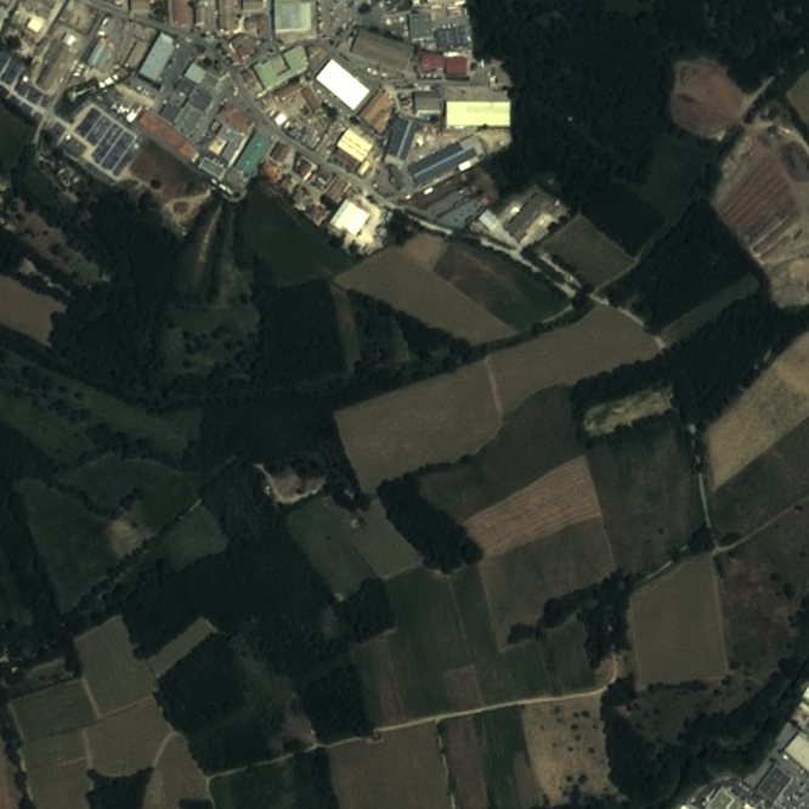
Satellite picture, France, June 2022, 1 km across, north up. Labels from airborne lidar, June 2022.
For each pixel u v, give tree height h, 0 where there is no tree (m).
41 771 0
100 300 18
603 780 0
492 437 0
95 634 0
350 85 0
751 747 14
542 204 0
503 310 0
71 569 0
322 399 13
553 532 0
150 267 12
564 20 12
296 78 6
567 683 0
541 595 0
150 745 0
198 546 0
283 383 15
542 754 0
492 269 0
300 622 11
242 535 11
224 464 14
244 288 0
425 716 0
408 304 0
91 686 0
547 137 10
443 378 0
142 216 10
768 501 0
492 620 0
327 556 0
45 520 0
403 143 0
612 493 0
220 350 0
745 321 14
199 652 12
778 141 0
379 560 0
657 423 13
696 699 0
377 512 0
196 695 15
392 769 0
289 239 0
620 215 11
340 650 10
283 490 0
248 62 0
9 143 0
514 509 0
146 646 12
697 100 0
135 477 0
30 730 0
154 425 0
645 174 16
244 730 6
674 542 0
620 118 20
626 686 17
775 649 0
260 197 0
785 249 0
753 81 13
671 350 13
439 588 0
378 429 0
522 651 0
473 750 0
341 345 15
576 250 0
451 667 0
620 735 15
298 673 10
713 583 0
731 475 0
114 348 10
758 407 0
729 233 13
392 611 14
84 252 21
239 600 13
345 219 0
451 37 0
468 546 18
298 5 0
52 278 15
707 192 9
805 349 0
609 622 18
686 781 16
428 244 0
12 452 11
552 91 19
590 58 15
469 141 0
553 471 0
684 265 15
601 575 0
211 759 6
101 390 13
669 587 0
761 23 14
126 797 16
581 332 0
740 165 0
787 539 0
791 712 8
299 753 7
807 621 15
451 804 0
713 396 18
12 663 8
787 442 0
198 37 0
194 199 0
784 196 0
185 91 0
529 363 0
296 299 13
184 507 0
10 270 11
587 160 9
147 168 0
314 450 7
